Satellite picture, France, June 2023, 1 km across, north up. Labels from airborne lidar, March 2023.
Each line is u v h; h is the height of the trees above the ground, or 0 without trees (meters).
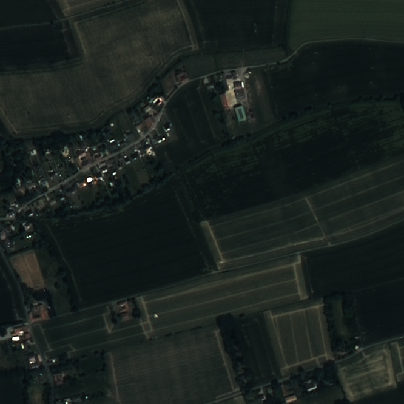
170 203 0
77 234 0
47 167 0
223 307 0
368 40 0
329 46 0
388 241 0
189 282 0
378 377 0
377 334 0
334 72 0
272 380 0
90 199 0
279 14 0
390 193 0
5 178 14
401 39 0
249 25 0
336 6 0
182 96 0
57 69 0
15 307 0
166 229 0
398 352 0
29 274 0
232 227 0
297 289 0
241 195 0
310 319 0
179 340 0
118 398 0
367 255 0
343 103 0
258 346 0
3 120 0
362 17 0
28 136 0
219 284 0
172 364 0
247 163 0
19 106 0
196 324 0
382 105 0
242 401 0
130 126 0
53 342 0
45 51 0
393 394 0
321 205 0
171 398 0
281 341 0
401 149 0
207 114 0
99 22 0
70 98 0
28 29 0
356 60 0
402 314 0
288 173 0
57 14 0
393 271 0
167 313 0
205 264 0
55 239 0
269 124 0
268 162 0
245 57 0
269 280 0
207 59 0
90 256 0
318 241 0
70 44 0
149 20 0
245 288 0
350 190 0
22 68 0
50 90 0
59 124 0
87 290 0
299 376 11
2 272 0
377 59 0
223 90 7
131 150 0
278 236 0
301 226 0
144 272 0
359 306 0
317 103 0
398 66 0
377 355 0
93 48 0
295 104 0
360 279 0
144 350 0
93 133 16
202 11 0
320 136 0
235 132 0
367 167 0
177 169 7
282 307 0
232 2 0
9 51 0
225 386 0
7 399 0
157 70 0
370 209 0
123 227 0
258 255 0
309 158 0
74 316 0
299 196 0
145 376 0
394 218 0
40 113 0
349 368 0
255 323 0
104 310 0
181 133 0
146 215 0
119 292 0
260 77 0
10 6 0
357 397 0
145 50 0
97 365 0
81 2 0
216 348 0
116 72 0
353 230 0
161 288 0
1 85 0
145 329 0
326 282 0
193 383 0
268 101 0
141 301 0
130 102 0
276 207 0
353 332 0
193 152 0
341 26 0
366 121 0
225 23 0
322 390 6
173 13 0
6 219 0
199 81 0
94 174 6
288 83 0
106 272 0
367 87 0
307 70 0
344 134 0
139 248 0
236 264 0
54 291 0
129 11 0
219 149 0
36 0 0
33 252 0
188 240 0
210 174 0
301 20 0
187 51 0
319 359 0
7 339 0
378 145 0
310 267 0
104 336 0
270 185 0
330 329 11
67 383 13
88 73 0
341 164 0
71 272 0
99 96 0
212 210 0
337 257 0
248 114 0
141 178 0
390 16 0
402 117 0
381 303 0
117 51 0
